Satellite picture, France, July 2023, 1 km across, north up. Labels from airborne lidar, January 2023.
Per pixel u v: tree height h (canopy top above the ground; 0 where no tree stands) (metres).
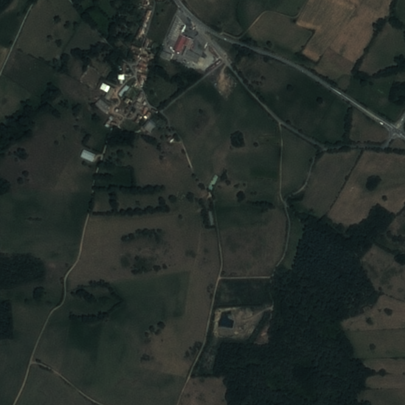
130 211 14
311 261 16
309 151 0
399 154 11
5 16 0
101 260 0
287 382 18
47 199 0
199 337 0
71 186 0
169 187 0
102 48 17
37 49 0
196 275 0
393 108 0
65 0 0
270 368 17
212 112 0
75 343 0
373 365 0
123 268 0
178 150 0
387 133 0
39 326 0
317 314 18
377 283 0
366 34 0
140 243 0
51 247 0
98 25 11
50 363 0
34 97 0
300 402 24
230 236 0
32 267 7
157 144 13
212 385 0
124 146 11
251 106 0
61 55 0
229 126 0
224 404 0
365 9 0
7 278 10
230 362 16
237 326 0
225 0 0
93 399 0
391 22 13
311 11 0
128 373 0
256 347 12
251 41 16
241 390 16
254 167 0
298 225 0
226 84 0
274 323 15
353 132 0
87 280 0
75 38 0
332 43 0
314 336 22
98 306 0
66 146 0
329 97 0
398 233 0
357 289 20
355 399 12
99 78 0
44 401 0
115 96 0
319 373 16
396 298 0
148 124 0
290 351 17
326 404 20
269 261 0
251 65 0
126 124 0
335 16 0
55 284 0
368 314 0
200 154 0
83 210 0
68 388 0
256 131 0
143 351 0
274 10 0
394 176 0
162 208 16
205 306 0
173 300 0
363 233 16
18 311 0
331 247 21
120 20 15
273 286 14
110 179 21
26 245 0
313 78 0
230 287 0
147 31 0
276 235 0
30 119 21
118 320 0
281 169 0
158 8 0
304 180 0
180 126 0
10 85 0
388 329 0
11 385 0
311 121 0
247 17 0
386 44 0
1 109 0
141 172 0
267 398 21
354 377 16
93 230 0
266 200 0
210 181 0
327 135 0
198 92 0
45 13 0
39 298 20
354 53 0
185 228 0
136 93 0
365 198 0
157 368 0
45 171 0
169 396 0
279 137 0
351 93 0
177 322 0
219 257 0
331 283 21
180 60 0
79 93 0
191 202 13
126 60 8
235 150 11
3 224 0
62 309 0
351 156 0
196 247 0
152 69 11
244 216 0
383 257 0
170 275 0
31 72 0
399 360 0
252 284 0
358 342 0
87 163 14
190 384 0
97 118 19
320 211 0
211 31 0
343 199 0
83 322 6
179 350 0
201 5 0
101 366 0
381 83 0
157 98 0
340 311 20
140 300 0
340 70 0
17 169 0
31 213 0
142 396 0
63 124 0
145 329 0
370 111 0
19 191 0
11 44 10
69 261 0
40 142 0
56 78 0
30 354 0
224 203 0
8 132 30
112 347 0
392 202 0
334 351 21
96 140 0
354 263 14
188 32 6
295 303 16
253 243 0
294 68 0
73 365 0
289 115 0
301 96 0
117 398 0
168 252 0
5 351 0
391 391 0
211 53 0
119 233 0
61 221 0
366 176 0
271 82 0
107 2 0
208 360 0
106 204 0
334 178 0
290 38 0
